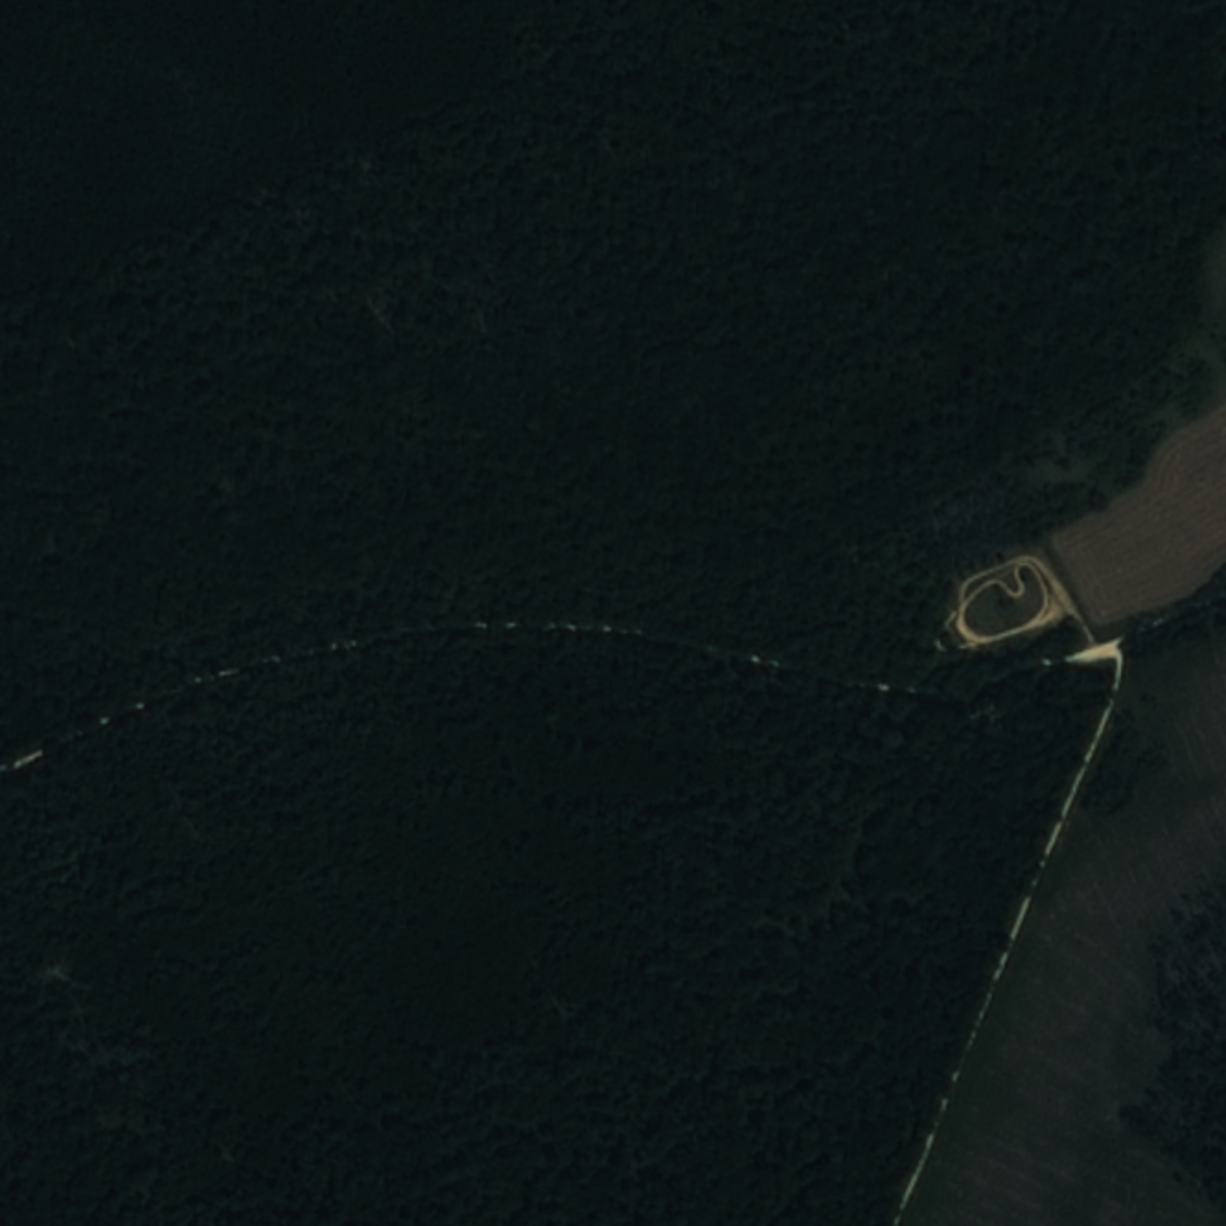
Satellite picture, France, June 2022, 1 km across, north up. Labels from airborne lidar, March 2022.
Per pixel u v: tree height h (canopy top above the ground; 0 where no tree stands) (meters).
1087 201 22
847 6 19
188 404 18
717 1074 21
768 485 16
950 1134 0
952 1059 25
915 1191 0
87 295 18
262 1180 22
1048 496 8
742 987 17
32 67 0
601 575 16
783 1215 28
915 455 20
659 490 14
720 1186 23
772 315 18
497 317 16
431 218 17
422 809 7
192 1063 14
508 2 11
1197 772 0
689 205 15
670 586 16
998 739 18
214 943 9
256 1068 6
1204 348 0
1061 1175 0
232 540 16
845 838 21
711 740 21
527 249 14
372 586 17
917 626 16
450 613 15
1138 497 0
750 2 8
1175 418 0
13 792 20
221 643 20
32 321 17
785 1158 22
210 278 19
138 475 17
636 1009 13
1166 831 0
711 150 17
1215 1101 14
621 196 18
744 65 10
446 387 19
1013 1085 0
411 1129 19
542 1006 16
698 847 21
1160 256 19
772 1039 25
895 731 23
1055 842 0
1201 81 19
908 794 18
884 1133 21
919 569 21
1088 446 11
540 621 17
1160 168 18
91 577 18
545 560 15
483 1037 6
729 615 16
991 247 15
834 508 17
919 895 0
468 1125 19
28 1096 18
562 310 13
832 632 15
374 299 19
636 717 22
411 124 17
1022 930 0
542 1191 24
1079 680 17
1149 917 0
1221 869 0
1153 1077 0
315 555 20
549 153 16
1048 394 19
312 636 17
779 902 17
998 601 0
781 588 22
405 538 15
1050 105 21
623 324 13
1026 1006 0
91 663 19
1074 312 20
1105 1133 0
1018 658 15
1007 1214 0
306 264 14
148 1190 0
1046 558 0
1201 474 0
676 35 14
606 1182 25
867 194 13
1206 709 0
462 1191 19
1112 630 0
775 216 14
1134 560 0
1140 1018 0
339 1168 19
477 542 17
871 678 11
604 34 18
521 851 19
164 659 18
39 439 15
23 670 21
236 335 21
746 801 22
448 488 22
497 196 16
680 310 7
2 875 0
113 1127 0
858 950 17
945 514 14
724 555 19
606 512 11
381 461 15
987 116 16
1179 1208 0
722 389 12
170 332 21
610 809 20
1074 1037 0
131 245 15
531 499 15
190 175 0
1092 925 0
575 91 13
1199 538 0
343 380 17
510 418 16
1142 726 0
